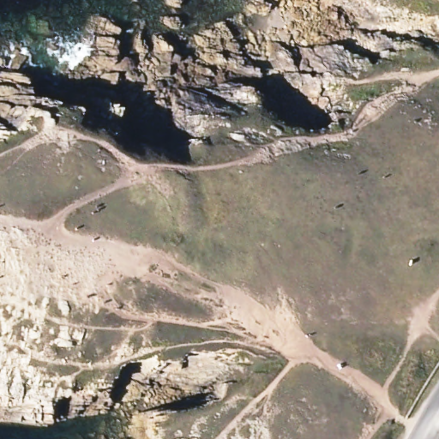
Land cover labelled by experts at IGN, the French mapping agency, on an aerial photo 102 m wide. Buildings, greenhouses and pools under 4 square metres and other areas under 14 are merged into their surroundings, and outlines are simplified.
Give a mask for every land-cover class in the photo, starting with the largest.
<instances>
[{"label":"bare soil","instance_id":"1","mask_svg":"<svg viewBox=\"0 0 439 439\"><path fill-rule=\"evenodd\" d=\"M247 7L240 10V14L232 19L228 17L223 22H216L206 31H199V34L194 36L189 46L195 48V58L180 57L165 39L153 36L154 46L147 50L146 46L142 45L141 38L134 39V48L139 55L137 65H132L127 58L117 62L118 45L113 38L115 34L120 33V27L99 15L89 17L86 29L82 33L74 31L69 39L67 36L46 39V53L57 58L58 65L55 70L58 74H65L70 79L99 77L110 81L111 84H117L118 72L122 70L127 81L142 82L144 91H153L156 105L171 110L175 125L190 134L189 165H216L235 161L256 153L259 147L266 144L283 141L285 137L338 134L341 130L352 129L355 123V117L350 111L353 108V101L346 93V86L352 84L353 81L393 70L410 69L412 72H425L439 69V0H245ZM31 39H22L21 43H10L9 48L0 51V153L34 137L31 130L15 127V108H38L48 111L58 127L81 132L86 106L65 108L58 99L34 96L33 84L29 77L21 74L22 62L27 63L29 67L33 65V57L27 51ZM161 175L170 183L171 195L159 192L151 182L129 185L101 197L99 201L89 202L86 206L75 209L74 213H70L65 219L67 230L93 235L94 240L117 238L125 244L149 245L153 249L165 250L170 254L177 252L182 256L180 262L199 264L201 271L216 274L221 283L235 286L240 290H249L250 295L268 309H276L281 300L286 298V305L297 317L300 329L310 336V340L319 350L340 360L343 367H352L364 372L365 376L377 384H384L389 372L400 360L408 338L413 309L422 302H427V298L436 292L439 286V77L422 84L417 94H410L408 99H400L393 108H388L384 115L374 122L367 123L362 129V134L350 141L317 144L295 153L274 156L269 161L232 166L223 170L197 173L165 170ZM122 177V166L108 149L87 141H75L74 146L67 147L55 142H46L29 151L22 147L17 153L0 158V214L27 219L50 218L62 207L69 206L70 202L81 199L82 195L91 194L117 182L118 178ZM110 286L115 288L118 309H125V302L132 300L137 309L144 312L163 310L175 316L197 317L204 321L213 319V310L207 309L195 300L178 297L175 293L158 288L149 281L125 278L122 281H110ZM103 300L94 297V293L91 292L87 293L86 302L81 307H75L74 302L65 300L57 305L55 298H50L48 312L51 316L94 326L144 324L141 319H125L117 314H111L110 310L101 309ZM15 305L0 304V422L50 425L69 422L70 418L75 417H94L98 420L99 429L89 432L91 439H216L219 432L249 405L252 398H256L257 394L268 388L274 377L280 374L286 365L283 353L262 352L254 346L237 343H213L207 345L206 352H190L189 348L166 352L153 350L123 367L120 365L115 369L82 370L81 376L72 379L70 374H74L77 367L41 362L45 358V352L29 348L31 338H26L22 334V329L33 328V319H27L26 310L21 309V316L17 317L14 316ZM41 336L48 341L57 340V345L53 346V353L58 358L62 357L67 346L77 345V340H82V362L105 360L111 353V346L122 343V333L91 329H84L82 333L75 331V340L69 341V328L60 329L57 322L45 319ZM240 336L221 329L192 328L171 322H156L151 333L153 346L183 341H204L209 338L238 340ZM439 379V343L429 334H422L413 343L405 364L389 388L391 403L398 406L401 415L410 418L417 413L430 389L434 388ZM377 406L370 405L367 396L358 394L355 389L334 377L328 370L319 369L314 364H300L290 370V374L280 382L273 396H268L257 403L256 413H247L242 417L240 436L244 439H249V420L257 418L268 424L271 439H358L365 424L376 422ZM405 432V425L396 420H388L372 439H400Z\"/></svg>","mask_w":439,"mask_h":439},{"label":"pervious surface","instance_id":"2","mask_svg":"<svg viewBox=\"0 0 439 439\"><path fill-rule=\"evenodd\" d=\"M439 77V69L425 72H412L410 69L393 70L353 81L352 84L364 86L394 79L401 81L400 87H394L393 91L372 99L370 103L353 101V108L350 111L355 117V123L352 129L341 130L338 134L285 137L283 141L266 144L259 147L256 153L235 161L216 165H189L141 163L122 153L110 141L101 139L98 135L81 132L58 127L48 111L38 108H15V127L31 130L34 137L0 153V158L17 153L22 147L29 151L46 142H55L67 147L74 146L75 141H87L108 149L122 166V177L118 178L117 182L91 194L82 195L81 199L70 202L69 206L62 207L50 218L27 219L0 214V304L15 305L14 316L17 317L21 316V309L26 310L27 319H33V328L22 329V334L26 338H31L29 348L45 352V358L41 362L77 367L74 374H70L72 379L81 376L82 370L115 369L120 365L123 367L153 350L166 352L189 348L190 352H206L207 345L213 343H237L254 346L262 352L283 353L286 365L280 374L274 377L268 388L257 394L256 398H252L249 405L219 432L216 439H244L240 436L242 417L247 413H256L257 403L268 396H273L280 382L290 374V370L300 364H314L319 369L328 370L334 377L355 389L358 394L367 396L370 405L377 406L376 422L365 424L358 439H372L388 420H396L405 425L406 420L410 418L401 415L398 406L391 403L389 388L405 364L413 343L422 334H429L439 343V286L436 292L427 298V302H422L413 309L408 338L400 360L389 372L384 384H377L365 376L364 372L352 367H343L340 360L319 350L310 340V336L300 329L297 317L286 305V298L281 300L276 309H268L250 295L249 290H240L235 286L221 283L216 274L201 271L199 264L180 262L182 256L177 252L170 254L165 250L153 249L149 245L125 244L117 238L94 240L93 235L67 230L65 219L70 213H74L75 209L86 206L89 202L99 201L101 197L129 185L151 182L159 192L171 195L170 183L161 175L165 170L197 173L223 170L232 166L269 161L274 156L295 153L317 144L350 141L362 134V129L367 123L374 122L384 115L388 108H393L400 99H408L410 94H417L422 84ZM125 278L149 281L158 288L175 293L178 297L195 300L207 309L213 310V319L204 321L197 317L175 316L163 310L144 312L137 309L132 300L125 302V309H118L115 288L110 286V281H122ZM91 292L94 293V297L103 300L101 309L110 310L111 314H117L125 319H141L144 324L94 326L51 316L48 312L50 298H55L57 305L65 300L74 302L75 307H81L86 302L87 293ZM45 319L57 322L60 329L69 328V341L75 340V331L82 333L84 329H91L122 333V343L111 346V353L105 360L82 362V340H77V345L67 346L62 357L58 358L53 353V346L57 345V340L48 341L41 336ZM156 322H171L192 328L221 329L240 336L238 340L209 338L204 341H183L153 346L151 333ZM249 439H271L268 424L257 418L249 420Z\"/></svg>","mask_w":439,"mask_h":439},{"label":"water","instance_id":"3","mask_svg":"<svg viewBox=\"0 0 439 439\"><path fill-rule=\"evenodd\" d=\"M247 7L245 0H0V51L9 48L10 43H21L22 39H31L27 51L33 57V65L29 67L27 63L22 62L21 74L29 77L33 84L34 96L58 99L65 108L86 106L81 132L98 135L101 139L110 141L122 153L141 163L189 165L190 134L175 125L171 110L156 105L153 91H144L142 82L127 81L122 70L118 72L117 84H111L110 81L99 77L70 79L65 74H58L55 70L58 65L57 58L46 53V39L67 36L69 39L74 31L82 33L86 29L89 17L99 15L120 27V33L115 34L113 38L118 45L117 62L127 58L132 65H137L139 55L134 48V39L141 38L142 45L146 46L147 50L154 46L153 36L165 39L180 57L195 58V48L189 46L194 36L199 34V31H206L216 22H223L228 17L232 19L240 14V10ZM99 429L98 420L94 417H75L70 418L69 422L50 425L0 422V439H91L89 432Z\"/></svg>","mask_w":439,"mask_h":439},{"label":"impervious surface","instance_id":"4","mask_svg":"<svg viewBox=\"0 0 439 439\"><path fill-rule=\"evenodd\" d=\"M400 439H439V379L434 388L430 389L417 413L410 418L406 420L405 425V432Z\"/></svg>","mask_w":439,"mask_h":439},{"label":"herbaceous vegetation","instance_id":"5","mask_svg":"<svg viewBox=\"0 0 439 439\"><path fill-rule=\"evenodd\" d=\"M401 81L394 79L364 86L352 84L346 86V93L353 101L370 103L372 99L393 91L394 87H400Z\"/></svg>","mask_w":439,"mask_h":439}]
</instances>
